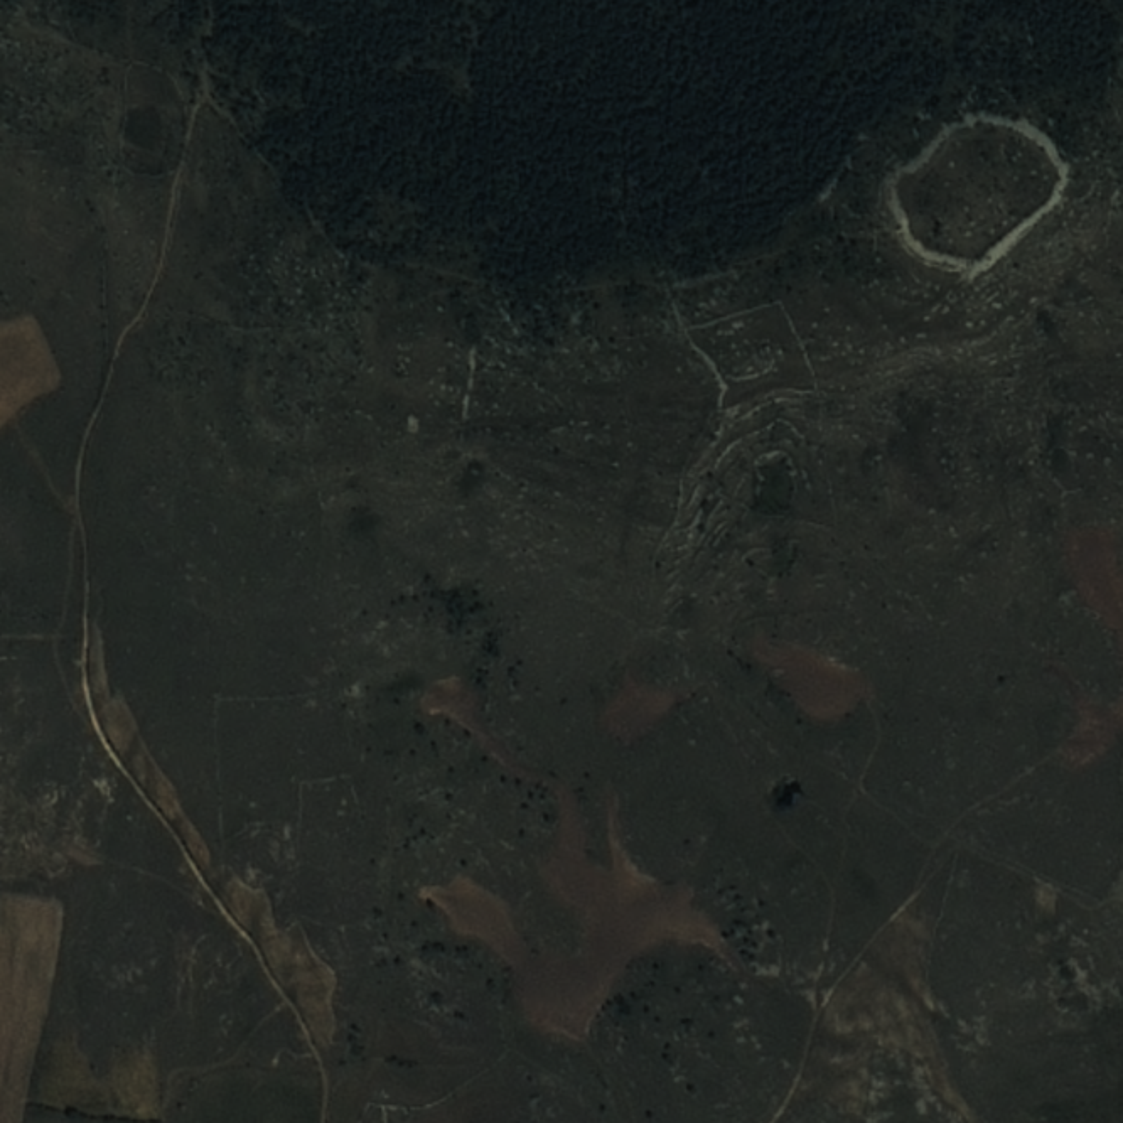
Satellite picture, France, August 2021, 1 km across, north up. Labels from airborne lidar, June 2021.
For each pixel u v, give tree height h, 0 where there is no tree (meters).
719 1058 0
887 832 0
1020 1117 0
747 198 9
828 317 0
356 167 8
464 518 0
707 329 0
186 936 0
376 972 0
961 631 0
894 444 0
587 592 0
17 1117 0
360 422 0
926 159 0
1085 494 0
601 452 0
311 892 0
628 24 6
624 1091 0
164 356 0
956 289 0
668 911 0
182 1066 0
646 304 0
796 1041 0
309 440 0
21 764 0
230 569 0
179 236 0
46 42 0
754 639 0
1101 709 0
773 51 11
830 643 0
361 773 0
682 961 0
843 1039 0
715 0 7
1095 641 0
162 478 0
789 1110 0
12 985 0
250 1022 0
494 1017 0
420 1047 0
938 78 7
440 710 0
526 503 0
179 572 0
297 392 0
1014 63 6
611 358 0
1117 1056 0
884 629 0
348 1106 0
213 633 0
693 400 0
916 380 0
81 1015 0
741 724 0
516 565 0
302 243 0
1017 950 0
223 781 0
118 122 0
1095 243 0
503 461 0
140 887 0
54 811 0
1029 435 0
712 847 0
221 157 0
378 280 0
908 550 0
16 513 0
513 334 0
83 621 0
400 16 9
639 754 0
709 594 0
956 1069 0
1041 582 0
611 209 7
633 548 0
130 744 0
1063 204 0
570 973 0
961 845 0
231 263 0
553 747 0
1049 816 0
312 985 0
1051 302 0
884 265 0
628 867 0
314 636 0
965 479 0
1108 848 0
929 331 0
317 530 0
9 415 0
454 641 0
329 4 10
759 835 0
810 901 0
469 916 0
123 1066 0
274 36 6
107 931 0
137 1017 0
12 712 0
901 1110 0
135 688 0
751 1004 0
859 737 0
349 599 0
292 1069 0
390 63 9
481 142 11
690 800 0
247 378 0
